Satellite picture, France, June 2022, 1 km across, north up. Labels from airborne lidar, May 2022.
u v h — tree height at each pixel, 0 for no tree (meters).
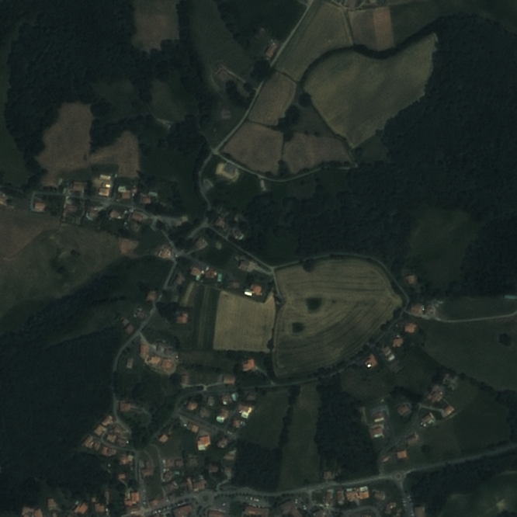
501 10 0
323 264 0
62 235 0
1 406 25
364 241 11
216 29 0
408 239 21
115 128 17
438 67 13
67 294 0
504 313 0
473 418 0
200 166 14
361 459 20
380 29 0
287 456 0
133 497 0
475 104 23
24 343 28
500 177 23
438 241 0
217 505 0
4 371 24
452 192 26
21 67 26
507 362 0
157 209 21
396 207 26
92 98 15
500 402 15
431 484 26
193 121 20
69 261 0
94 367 22
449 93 29
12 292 0
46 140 0
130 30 22
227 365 0
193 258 8
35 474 28
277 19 0
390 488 0
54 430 24
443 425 0
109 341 22
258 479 11
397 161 20
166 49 20
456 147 25
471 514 0
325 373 16
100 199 0
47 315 24
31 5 23
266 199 15
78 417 23
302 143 0
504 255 20
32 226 0
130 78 14
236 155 0
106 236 0
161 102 0
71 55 27
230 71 0
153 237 0
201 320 0
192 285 0
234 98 13
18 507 20
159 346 0
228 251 0
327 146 0
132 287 0
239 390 10
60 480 25
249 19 0
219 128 0
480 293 16
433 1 0
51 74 26
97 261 0
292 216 13
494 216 8
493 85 20
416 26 0
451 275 0
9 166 0
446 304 0
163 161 0
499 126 15
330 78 0
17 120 23
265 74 27
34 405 21
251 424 0
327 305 0
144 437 16
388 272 0
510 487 0
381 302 0
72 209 0
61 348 17
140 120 19
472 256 12
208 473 9
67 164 0
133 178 0
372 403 0
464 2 0
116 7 23
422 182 24
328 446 20
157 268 0
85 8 16
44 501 0
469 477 28
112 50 17
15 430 24
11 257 0
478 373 0
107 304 7
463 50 20
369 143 0
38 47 26
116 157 0
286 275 0
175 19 0
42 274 0
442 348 0
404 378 0
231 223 7
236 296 0
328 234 11
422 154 24
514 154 24
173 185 10
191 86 18
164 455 0
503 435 0
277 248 0
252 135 0
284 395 0
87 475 31
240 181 0
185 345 0
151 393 0
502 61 26
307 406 0
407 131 27
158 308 11
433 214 0
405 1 0
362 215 11
